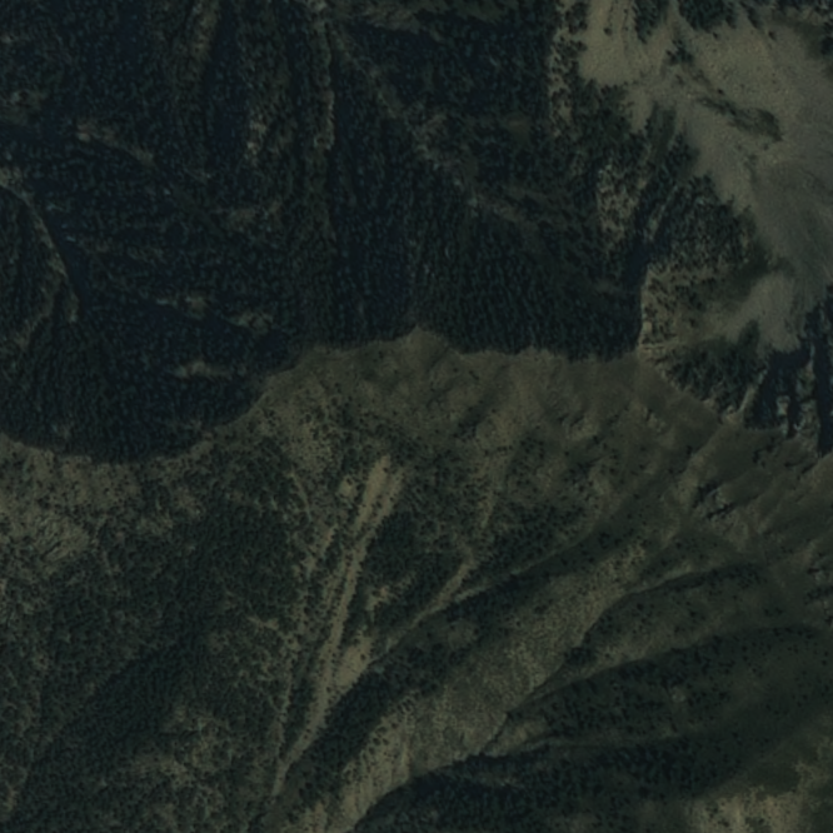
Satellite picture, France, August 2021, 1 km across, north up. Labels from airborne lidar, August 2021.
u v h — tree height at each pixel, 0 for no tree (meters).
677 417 0
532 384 0
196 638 13
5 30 10
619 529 0
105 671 13
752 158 0
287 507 9
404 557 15
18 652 12
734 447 0
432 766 0
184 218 11
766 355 0
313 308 12
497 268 12
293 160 22
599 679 0
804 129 0
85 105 12
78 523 8
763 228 0
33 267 11
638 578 0
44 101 0
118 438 12
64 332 15
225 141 17
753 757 0
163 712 16
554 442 0
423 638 0
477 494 8
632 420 0
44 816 17
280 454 10
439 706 0
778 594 0
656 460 0
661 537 0
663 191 16
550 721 12
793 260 0
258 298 8
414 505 7
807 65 0
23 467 7
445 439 0
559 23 7
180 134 10
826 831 0
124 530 11
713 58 0
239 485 9
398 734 0
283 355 6
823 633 0
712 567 0
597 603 0
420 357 0
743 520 0
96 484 0
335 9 19
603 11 0
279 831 0
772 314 0
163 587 14
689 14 12
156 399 14
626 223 9
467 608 8
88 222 11
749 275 0
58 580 11
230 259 9
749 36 0
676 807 0
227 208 11
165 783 6
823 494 0
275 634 9
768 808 0
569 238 0
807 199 0
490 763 14
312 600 10
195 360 11
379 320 10
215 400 13
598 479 0
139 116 10
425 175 10
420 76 17
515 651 0
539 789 8
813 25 0
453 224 10
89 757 13
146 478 11
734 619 0
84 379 14
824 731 0
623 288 11
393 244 12
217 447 9
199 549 10
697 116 0
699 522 0
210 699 8
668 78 0
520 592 15
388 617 13
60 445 11
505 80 11
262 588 16
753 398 0
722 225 14
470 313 7
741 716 0
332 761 18
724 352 0
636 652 0
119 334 8
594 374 0
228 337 17
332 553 10
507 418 0
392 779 0
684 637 0
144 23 10
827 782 0
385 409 0
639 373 0
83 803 20
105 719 11
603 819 10
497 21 0
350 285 16
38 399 14
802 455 0
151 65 20
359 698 15
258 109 13
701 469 0
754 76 0
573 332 13
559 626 0
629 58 0
